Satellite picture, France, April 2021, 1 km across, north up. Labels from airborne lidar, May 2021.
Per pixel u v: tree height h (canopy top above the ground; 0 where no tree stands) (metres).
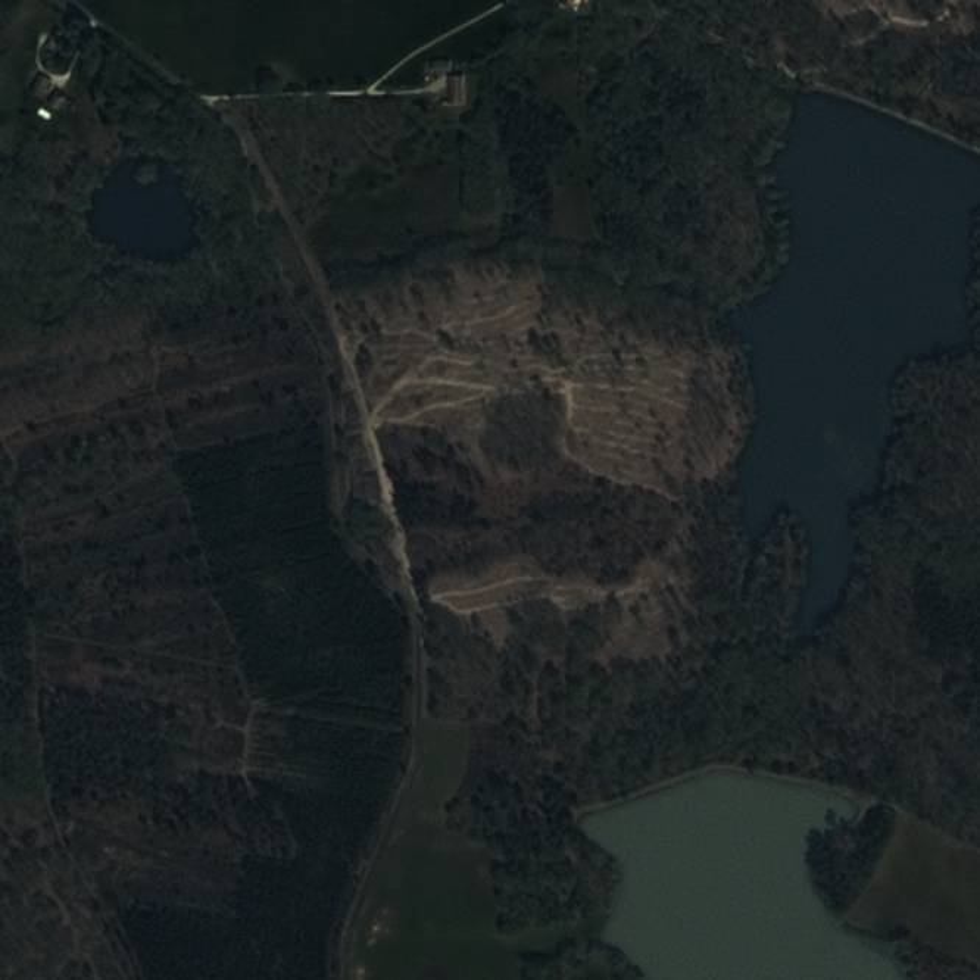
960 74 24
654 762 19
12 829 8
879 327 0
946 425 18
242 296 19
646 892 0
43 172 19
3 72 0
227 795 22
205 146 19
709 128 18
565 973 18
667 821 0
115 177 0
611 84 7
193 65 0
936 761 18
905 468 15
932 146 0
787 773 11
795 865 0
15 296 24
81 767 20
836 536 0
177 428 11
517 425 16
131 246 0
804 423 0
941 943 0
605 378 18
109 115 16
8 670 14
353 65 0
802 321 0
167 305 15
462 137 12
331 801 10
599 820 0
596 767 15
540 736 7
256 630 9
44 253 22
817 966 0
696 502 19
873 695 13
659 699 15
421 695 0
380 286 24
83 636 13
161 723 21
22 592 21
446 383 0
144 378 12
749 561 11
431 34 0
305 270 16
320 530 14
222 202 21
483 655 15
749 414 12
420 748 0
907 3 8
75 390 14
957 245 0
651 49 14
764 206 19
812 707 6
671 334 18
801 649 16
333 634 9
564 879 22
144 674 13
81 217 17
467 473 13
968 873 0
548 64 0
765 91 16
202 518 12
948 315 0
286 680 12
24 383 8
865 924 0
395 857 0
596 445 0
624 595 0
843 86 19
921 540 24
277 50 0
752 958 0
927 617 22
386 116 12
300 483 13
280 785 6
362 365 14
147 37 0
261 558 6
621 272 26
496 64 5
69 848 15
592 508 11
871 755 17
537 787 9
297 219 13
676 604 23
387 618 11
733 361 19
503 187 21
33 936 14
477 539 9
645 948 0
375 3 0
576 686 22
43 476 18
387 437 7
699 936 0
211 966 13
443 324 0
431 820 0
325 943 12
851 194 0
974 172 0
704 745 25
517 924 16
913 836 0
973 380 16
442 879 0
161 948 13
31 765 20
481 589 0
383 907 0
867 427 0
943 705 14
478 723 11
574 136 18
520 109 16
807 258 0
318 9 0
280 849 15
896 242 0
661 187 15
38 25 0
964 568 23
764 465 0
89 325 20
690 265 17
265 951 11
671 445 17
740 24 19
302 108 18
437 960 0
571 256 18
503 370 0
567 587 0
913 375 12
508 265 19
